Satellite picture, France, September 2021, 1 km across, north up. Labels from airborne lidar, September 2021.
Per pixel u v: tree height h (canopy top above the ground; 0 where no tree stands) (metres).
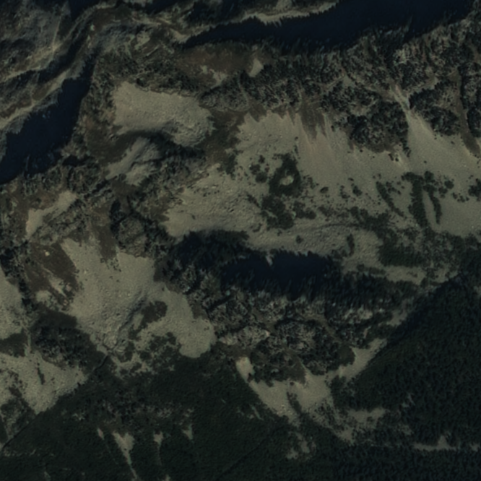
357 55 6
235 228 0
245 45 5
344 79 0
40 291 0
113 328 0
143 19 0
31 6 0
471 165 0
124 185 0
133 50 0
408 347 7
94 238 0
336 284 8
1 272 0
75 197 0
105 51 0
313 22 0
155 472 10
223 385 7
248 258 9
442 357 8
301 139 0
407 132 13
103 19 0
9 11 0
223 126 0
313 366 6
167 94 0
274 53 9
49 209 0
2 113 0
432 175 6
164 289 0
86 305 0
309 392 0
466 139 0
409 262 7
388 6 0
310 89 11
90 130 0
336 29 0
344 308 9
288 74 8
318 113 0
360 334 8
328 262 0
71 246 0
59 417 0
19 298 0
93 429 9
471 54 13
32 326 0
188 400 7
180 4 7
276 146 0
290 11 0
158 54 0
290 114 0
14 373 0
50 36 0
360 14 0
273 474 6
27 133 0
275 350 8
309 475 8
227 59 0
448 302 7
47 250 0
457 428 22
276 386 0
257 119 0
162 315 0
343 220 0
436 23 9
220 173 0
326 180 0
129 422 14
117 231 8
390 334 8
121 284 0
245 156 0
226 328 8
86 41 0
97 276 0
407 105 0
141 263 0
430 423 9
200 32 0
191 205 0
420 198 7
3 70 0
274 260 0
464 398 9
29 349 0
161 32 0
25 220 0
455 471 14
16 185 0
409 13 10
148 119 0
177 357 0
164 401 9
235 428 7
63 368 0
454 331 9
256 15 0
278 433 7
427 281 5
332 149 0
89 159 12
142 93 0
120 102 0
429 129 0
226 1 0
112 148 0
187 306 0
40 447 8
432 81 0
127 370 0
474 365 7
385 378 9
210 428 8
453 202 0
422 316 6
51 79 0
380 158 0
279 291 7
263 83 8
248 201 0
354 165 0
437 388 22
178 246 0
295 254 0
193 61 0
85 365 10
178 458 8
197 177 0
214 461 9
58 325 0
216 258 0
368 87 0
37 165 0
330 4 0
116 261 0
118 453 9
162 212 0
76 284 0
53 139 0
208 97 7
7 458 6
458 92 0
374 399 9
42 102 0
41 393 0
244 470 6
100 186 0
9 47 0
